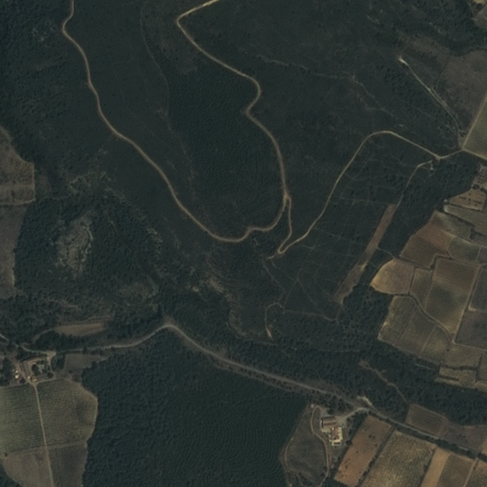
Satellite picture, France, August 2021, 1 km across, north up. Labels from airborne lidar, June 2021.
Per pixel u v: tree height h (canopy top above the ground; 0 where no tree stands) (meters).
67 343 7
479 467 0
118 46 0
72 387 0
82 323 0
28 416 0
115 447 12
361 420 9
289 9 0
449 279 0
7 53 8
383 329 0
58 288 0
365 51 0
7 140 0
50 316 14
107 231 10
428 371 9
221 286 0
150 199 0
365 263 0
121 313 12
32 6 6
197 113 5
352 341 8
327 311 0
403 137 0
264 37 0
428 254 0
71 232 0
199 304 10
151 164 0
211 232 0
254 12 0
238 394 5
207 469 7
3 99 8
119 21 0
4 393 0
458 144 0
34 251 7
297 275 0
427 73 0
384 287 0
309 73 6
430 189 9
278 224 6
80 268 0
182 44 0
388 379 0
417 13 0
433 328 0
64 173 0
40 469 0
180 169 0
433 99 0
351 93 0
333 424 0
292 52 0
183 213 0
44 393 0
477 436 0
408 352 0
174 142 0
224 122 5
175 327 0
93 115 0
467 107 0
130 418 15
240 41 0
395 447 0
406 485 0
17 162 0
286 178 0
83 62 0
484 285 0
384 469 0
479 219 0
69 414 0
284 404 6
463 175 10
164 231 0
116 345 0
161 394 9
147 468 7
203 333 6
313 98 0
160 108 0
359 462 0
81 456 0
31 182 0
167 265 7
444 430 0
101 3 0
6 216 0
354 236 6
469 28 6
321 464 0
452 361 0
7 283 0
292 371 8
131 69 0
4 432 0
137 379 12
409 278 0
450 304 0
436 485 0
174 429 7
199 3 0
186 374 9
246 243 6
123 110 0
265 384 7
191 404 7
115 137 0
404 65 7
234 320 0
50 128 0
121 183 0
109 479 13
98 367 15
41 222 9
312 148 0
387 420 7
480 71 0
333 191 0
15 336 20
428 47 0
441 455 0
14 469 0
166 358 6
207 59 5
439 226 0
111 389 12
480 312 0
